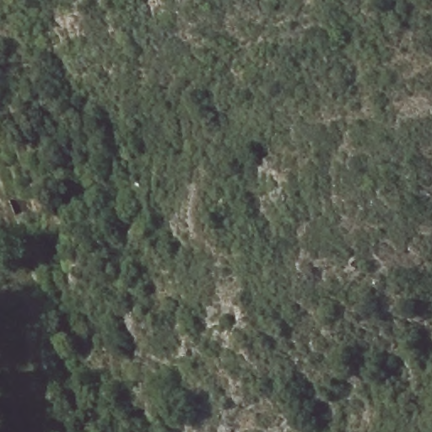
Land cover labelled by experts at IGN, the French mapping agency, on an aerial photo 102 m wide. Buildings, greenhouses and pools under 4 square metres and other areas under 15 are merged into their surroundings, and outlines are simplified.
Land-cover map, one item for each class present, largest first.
<instances>
[{"label":"brushwood","instance_id":"1","mask_svg":"<svg viewBox=\"0 0 432 432\"><path fill-rule=\"evenodd\" d=\"M74 0H0V187H7L22 201V213H25L29 206L34 211V216L29 218V226L25 228L24 224L5 223L0 208V235L5 233L24 236L22 245L25 251L24 262L20 263L13 277L0 273V432H59L66 425L57 420L51 412H47V383L67 380L69 371L61 356L52 348L51 337L40 327L42 312L49 310L56 312L57 327L66 336L74 353L86 356L84 361L89 368L100 373L101 388L115 395L116 383L125 381V386L133 393V407L143 408V413L150 422V432H226V425H219V412H223L224 408H233L235 402L229 398L226 391L228 381L218 378V370H226L233 376V380L241 381L246 402L258 403L262 398H270L273 386L277 390H282L285 386V390L299 400V413L304 417L300 430L290 427L287 417L283 415L282 407L278 405L280 402H273L272 410H268L267 413H256L255 429L246 432H346L349 415L363 413L364 410L361 400H348V397L331 402L327 407L324 400L327 395L321 393V386L329 388L332 378H344L348 371L353 376L358 378L361 375L359 368L363 366L366 351L375 353L376 358L381 353L397 354L398 339H407L410 349L415 351L412 363L413 373H415V378H417V388H415V390L413 391H410V388H408L398 395L397 402H391V388L375 383L370 386L373 395V405L370 407L373 412L378 413V417L371 420L373 432H432V115L408 118L402 121L400 128L393 130L398 110L393 106V101L407 100L408 96H424L425 91L432 93V67L413 76L412 79H403L391 71L397 64L391 62V57L407 54L408 47L403 46L402 37L410 30L413 32L415 51L425 52L432 57V0H84L79 5V12L83 13V22L79 24V29L83 30L84 35L71 37L61 49L54 52L57 37L52 29L57 24L56 8L69 12L73 8ZM194 89L211 91L214 106H204L199 111L196 103L191 101ZM364 94L370 96L375 105L373 118H364L353 123L336 120L332 121L331 125H324L321 111H327L331 115L348 116L344 105L351 106V110H361ZM263 159L270 162V167L277 170L278 174L285 175L287 181L283 182V199L270 202L267 213L262 214L258 197L268 194V191L277 187V181L272 175L258 172V165H262ZM197 167H204L208 172L204 177V187L197 192V199L201 201L202 211L213 221L216 248L233 253V258L229 262L231 268H223V273L240 277L241 294L233 300V304L241 307V317L246 322L243 329L236 327L233 314H224L216 295V280L211 275V268L223 267V263L214 262L213 255L206 251V248L194 251L192 248L179 245V241L175 240L170 231V218L187 201V187L191 184ZM133 305L140 307L142 314L152 317L154 326L152 336L143 334L147 339V346L143 349L142 356L135 354L137 344L125 326V316L133 309Z\"/></svg>","mask_w":432,"mask_h":432},{"label":"herbaceous vegetation","instance_id":"2","mask_svg":"<svg viewBox=\"0 0 432 432\"><path fill-rule=\"evenodd\" d=\"M84 0H74L73 8L69 12L56 8L57 24L52 29L57 37L54 52L61 49L71 37L84 35L83 30L79 29V24L83 22V13L79 12V5ZM403 46L408 47L407 54L391 57V62L397 64L391 71L403 79H412L413 76L432 67V57L425 52L415 51L413 32L410 30L402 37ZM393 106L398 110L393 130L400 128L402 121L408 118L432 115V93L425 91L424 96H408L407 100L393 101ZM348 116L331 115L327 111H321L324 125H331L332 121L336 120L353 123L364 118H373L375 105L370 96L364 94L361 110H351V106L344 105ZM258 172L272 175L277 181V187L268 191V194L258 197L262 214L267 213L270 202L283 199V182L287 181L285 175L278 174L277 170L270 167V162L263 159L262 165H258ZM208 172L204 167H197L191 184L187 187V201L170 218V231L175 240L179 241V245L192 248L194 251L206 248V251L213 255L214 262L223 263V267L211 268V275L216 280V295L224 314H233L236 327L243 329L246 322L241 317V307L233 304V300L241 294L240 277L223 273V268H231L229 262L233 258V253L216 248L213 221L202 211L201 201L197 199V192L204 187V177ZM0 208L5 223L24 224L25 228L29 226V218L34 216V211L29 206L25 213H22V201L7 187H0ZM125 326L137 344L135 354L142 356L143 349L147 346V339L143 334L152 336L154 326L152 317L142 314L140 307L133 305V309L125 316ZM402 376L403 378H405V380L410 381V385H408V388H410V391H413L415 390V388H417V378H415V373H413L412 363H410V361H405V363H403ZM218 378L228 381L226 391L229 398L235 402L233 408H224L223 412H219V425H226V432H246L255 429L256 413H267L268 410H272L273 402L270 398H262L258 403L246 402L241 381L233 380V376L226 370H218ZM351 391L348 397V400H361L364 410L363 413L349 415L346 432H373L371 420L378 417V413L373 412L370 407L368 398L361 393L358 378L353 376L349 380Z\"/></svg>","mask_w":432,"mask_h":432},{"label":"deciduous trees","instance_id":"3","mask_svg":"<svg viewBox=\"0 0 432 432\"><path fill-rule=\"evenodd\" d=\"M191 101L196 103L199 111L204 106H214L211 91L194 89ZM24 236L5 233L0 235V273L13 277L20 263L24 262L25 251L22 245ZM40 327L51 337L52 348L61 356L69 371L67 380L47 383V412H51L57 420L66 425L59 432H150V422L143 413V408L133 407V393L125 386V381L116 383L115 395L101 388L100 373L89 368L84 361L86 356L74 353L66 336L57 327L56 312L49 310L42 312ZM415 351L410 349L407 339H398L397 354L381 353L376 358L375 353L366 351L363 366L359 368L361 375L358 378L361 393L368 398L370 407L373 405V395L370 386L375 383L391 388V402H397L398 395L408 388V385H410V381L405 380V378H403L402 376L403 363H405V361H410V363H412ZM353 376L348 371L344 378H332L329 388L321 386V393L327 395L324 400L327 407L331 402L348 397L351 391L349 380ZM273 402H280L278 405L282 407L283 415L287 417L290 427L300 430L304 417L299 413V400L285 390V386L282 390H277L273 386L270 398Z\"/></svg>","mask_w":432,"mask_h":432}]
</instances>
